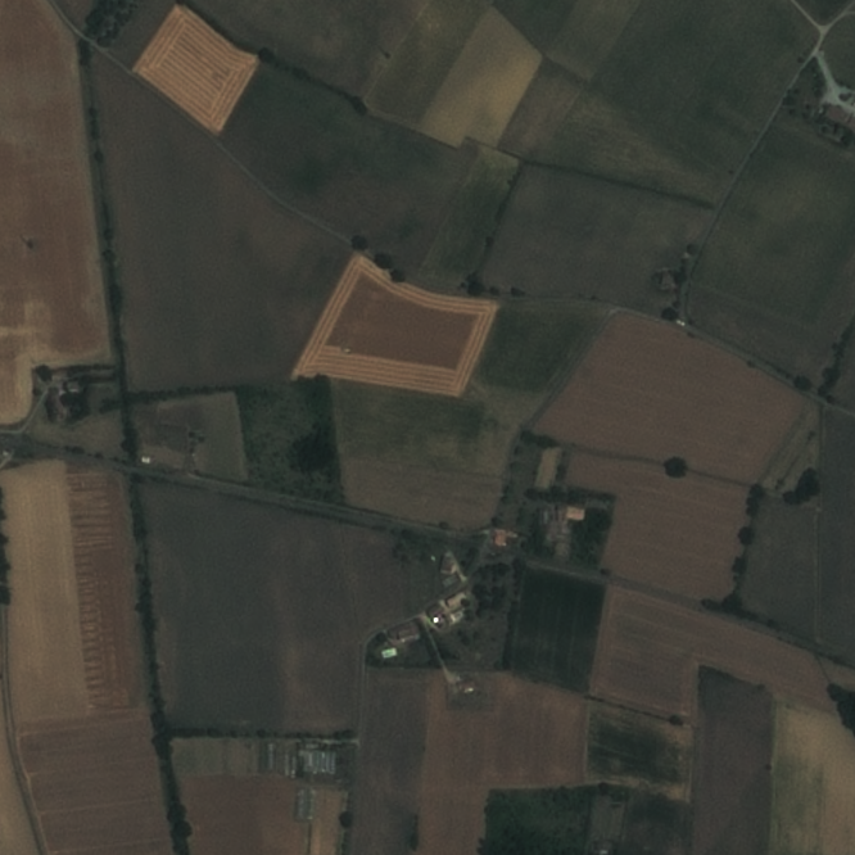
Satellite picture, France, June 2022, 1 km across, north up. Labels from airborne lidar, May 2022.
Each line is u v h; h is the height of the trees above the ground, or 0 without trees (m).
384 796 0
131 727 0
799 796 0
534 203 0
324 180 0
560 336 0
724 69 0
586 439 0
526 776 0
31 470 0
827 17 0
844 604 0
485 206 0
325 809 0
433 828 0
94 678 0
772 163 0
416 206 0
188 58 0
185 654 0
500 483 0
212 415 0
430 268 0
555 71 0
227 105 0
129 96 0
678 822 0
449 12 0
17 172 0
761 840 0
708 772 0
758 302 0
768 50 0
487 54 0
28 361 0
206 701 0
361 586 0
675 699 0
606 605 0
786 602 0
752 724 0
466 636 9
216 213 0
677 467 21
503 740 0
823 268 0
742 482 0
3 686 0
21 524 0
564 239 0
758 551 0
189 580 0
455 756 0
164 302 0
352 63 0
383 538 0
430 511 0
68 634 0
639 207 0
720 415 0
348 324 0
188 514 0
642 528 0
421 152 0
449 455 0
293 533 0
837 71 0
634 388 0
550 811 6
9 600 14
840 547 0
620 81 0
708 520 0
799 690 0
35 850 0
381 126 0
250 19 0
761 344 0
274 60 11
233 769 0
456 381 0
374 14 0
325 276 0
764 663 0
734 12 0
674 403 0
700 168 0
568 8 0
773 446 0
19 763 0
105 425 0
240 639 0
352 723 0
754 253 0
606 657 0
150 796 0
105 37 10
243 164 0
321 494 9
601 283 0
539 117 0
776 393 0
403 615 0
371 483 0
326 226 0
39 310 0
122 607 0
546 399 0
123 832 0
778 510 0
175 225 0
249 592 0
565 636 0
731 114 0
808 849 0
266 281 0
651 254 0
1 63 0
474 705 0
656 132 0
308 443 10
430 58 0
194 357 0
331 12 0
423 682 0
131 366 0
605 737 0
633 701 0
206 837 0
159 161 0
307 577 0
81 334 0
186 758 0
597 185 0
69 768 0
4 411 0
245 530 0
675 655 0
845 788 0
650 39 0
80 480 0
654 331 0
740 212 0
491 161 0
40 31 0
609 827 0
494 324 0
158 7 0
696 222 0
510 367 0
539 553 8
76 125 0
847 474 0
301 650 0
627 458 0
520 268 0
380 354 0
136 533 8
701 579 0
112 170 0
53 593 0
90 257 0
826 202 0
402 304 0
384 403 0
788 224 0
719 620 0
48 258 0
